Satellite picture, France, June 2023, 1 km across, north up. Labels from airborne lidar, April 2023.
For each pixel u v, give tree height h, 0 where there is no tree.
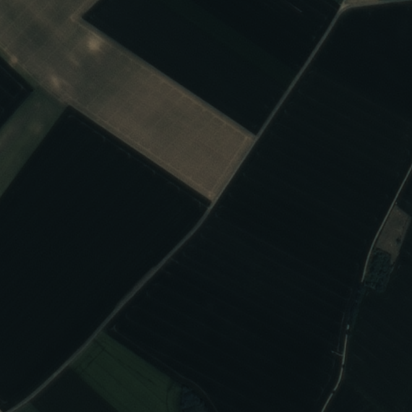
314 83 0
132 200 0
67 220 0
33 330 0
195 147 0
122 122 0
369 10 0
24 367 0
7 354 0
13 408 0
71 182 0
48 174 0
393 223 0
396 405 0
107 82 0
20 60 0
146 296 0
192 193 0
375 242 0
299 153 0
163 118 0
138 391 0
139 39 0
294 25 0
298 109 0
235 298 0
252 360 0
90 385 0
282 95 0
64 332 0
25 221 0
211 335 0
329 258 0
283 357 0
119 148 0
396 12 0
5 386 0
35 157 0
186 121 0
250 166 0
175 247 0
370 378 0
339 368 0
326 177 0
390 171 0
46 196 0
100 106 0
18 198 0
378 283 8
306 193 0
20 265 0
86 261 0
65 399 0
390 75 0
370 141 0
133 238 0
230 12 0
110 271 0
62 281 0
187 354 0
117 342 0
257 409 0
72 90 0
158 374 0
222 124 0
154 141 0
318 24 0
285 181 0
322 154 0
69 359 0
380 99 0
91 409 0
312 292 0
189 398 23
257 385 0
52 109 0
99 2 0
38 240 0
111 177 0
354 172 0
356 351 0
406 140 0
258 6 0
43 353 0
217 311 0
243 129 0
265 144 0
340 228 0
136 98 0
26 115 0
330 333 0
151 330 0
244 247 0
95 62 0
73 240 0
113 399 0
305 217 0
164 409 0
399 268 0
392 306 0
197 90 0
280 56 0
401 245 0
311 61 0
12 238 0
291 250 0
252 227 0
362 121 0
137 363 0
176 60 0
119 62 0
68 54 0
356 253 0
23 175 0
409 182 0
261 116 0
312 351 0
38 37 0
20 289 0
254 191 0
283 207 0
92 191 0
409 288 0
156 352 0
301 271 0
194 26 0
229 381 0
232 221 0
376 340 0
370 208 0
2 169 0
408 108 0
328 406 0
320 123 0
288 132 0
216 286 0
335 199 0
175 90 0
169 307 0
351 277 0
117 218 0
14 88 0
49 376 0
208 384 0
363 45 0
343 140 0
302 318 0
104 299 0
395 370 0
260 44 0
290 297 0
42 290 0
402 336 0
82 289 0
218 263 0
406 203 0
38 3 0
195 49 0
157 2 0
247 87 0
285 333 0
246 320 0
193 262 0
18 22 0
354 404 0
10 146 0
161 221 0
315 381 0
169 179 0
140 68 0
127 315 0
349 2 0
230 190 0
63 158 0
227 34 0
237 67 0
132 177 0
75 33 0
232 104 0
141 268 0
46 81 0
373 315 0
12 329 0
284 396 0
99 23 0
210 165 0
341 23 0
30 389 0
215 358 0
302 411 0
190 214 0
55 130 0
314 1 0
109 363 0
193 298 0
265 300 0
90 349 0
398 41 0
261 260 0
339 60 0
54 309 0
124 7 0
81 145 0
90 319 0
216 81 0
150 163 0
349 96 0
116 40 0
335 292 0
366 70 0
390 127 0
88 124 0
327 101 0
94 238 0
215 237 0
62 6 0
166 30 0
